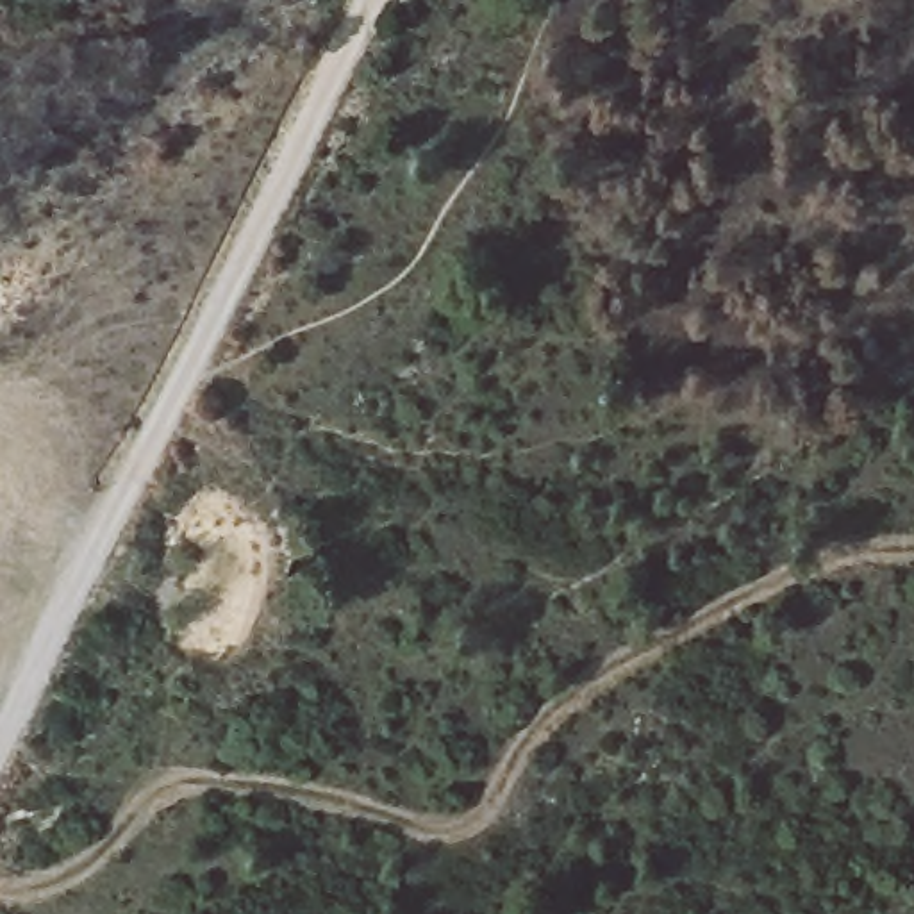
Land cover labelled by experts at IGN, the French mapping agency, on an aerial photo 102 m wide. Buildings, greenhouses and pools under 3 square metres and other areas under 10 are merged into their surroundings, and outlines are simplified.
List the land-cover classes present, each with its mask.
<instances>
[{"label":"brushwood","instance_id":"1","mask_svg":"<svg viewBox=\"0 0 914 914\"><path fill-rule=\"evenodd\" d=\"M532 36L475 46L468 7L450 0H428V18L414 29L396 25V18L386 7L353 75L368 89V111L357 118H332L343 132V146L336 171L325 175L314 196V207H328L336 214V225L321 229V246H336L350 229H364L371 236V246L353 253V271L343 289L346 300H357L368 289L382 286L393 271H400L411 261L418 239L425 236L436 207L443 204L457 175H450L446 182H421L414 150L389 154L393 121L428 107L450 111L461 121L503 118L500 93H511L528 57ZM568 271L553 286H546L539 300L525 311L493 307L489 289H475L461 261L446 268L450 303L428 314L425 339H418L414 350H403L407 364L400 368V375L393 371L386 382H357L368 403V418L386 411L375 432L389 436L396 453L386 457L364 443H339L328 432L300 439L307 464H314L318 475L332 486V496L357 500L361 507H368V546L386 568H393L389 586L378 596L336 603L328 593H318L307 575H275L264 593V603L289 628L286 668L318 689L314 700H303L296 689L253 693L236 707V718L246 721L250 750L268 753L271 771L357 789L375 800L425 814H464L482 800L489 768L496 764L500 750L521 728L532 725L546 700H561L568 689L589 682L603 668V657L618 646H661V661L639 668L636 675L621 678L614 689L596 696L586 710L571 714L532 753L514 796L507 800V810L489 832L475 839L418 843L400 828V821H361L307 810L300 803L278 800L268 785H261L250 796H232L221 789H207L200 796L204 810L218 821V832L196 839V857L250 850L253 871L246 882L232 878L229 871L171 875L175 885L189 893V914H914V800L903 793L896 778H868L850 768V728L839 714H828L825 743L807 750V771H793V778L778 775L782 768L775 760L760 764L753 743L743 735V714H757L764 732H778L785 725V707L778 703L782 693L789 689L793 696H800L796 671L771 657V636L789 628H814L832 611L864 600V578L857 575L839 571L803 589L789 586L782 596L746 607L725 625L710 628L707 636H693V628L686 625L703 603L718 600L735 586L757 582L775 564L814 568L821 561V550L843 553L864 546L875 536L914 532V389H907L896 403H864L857 411L846 407L843 396H828V421L818 432L800 418H785L775 407V396L764 393V386L750 375L700 393V378L686 375L678 393L636 400L632 407H614L607 400V389L611 361L618 357V339L600 318V293L607 286V271L621 257L603 253L600 239L589 246L578 243L571 232L564 236ZM275 496L286 528L303 532V518L314 511L318 496L289 471L275 486ZM189 571H196L182 546L164 543H150V550L139 557V571L114 603L86 607L64 643L50 686L43 689V703L32 714L25 739L39 753V760H50L54 753L82 757L86 725L79 714L89 700H118V689L100 686L93 671H86V664L107 653L111 661H118L121 671H129V646H139V653L150 657L154 643H161L164 636H175L182 643L186 628L196 618L211 614L221 600L207 589H196L189 600H179L171 607L157 603V589L164 578H186ZM86 782L61 775L43 778L39 789L25 793L21 807L25 821L21 839L14 846V864L25 871L50 868L96 839H107L111 818L107 810L86 803Z\"/></svg>","mask_w":914,"mask_h":914},{"label":"herbaceous vegetation","instance_id":"2","mask_svg":"<svg viewBox=\"0 0 914 914\"><path fill-rule=\"evenodd\" d=\"M0 4L7 7V29L25 32V39L32 43L39 29H50L64 18V4L71 0H0ZM396 18V25L414 29L428 18V0H389L386 7ZM503 118L461 121L450 111L428 107L393 121L389 154L414 150L421 182H446L450 175H457L471 168L475 182L450 211L421 268L396 293L382 296L378 303L364 307L361 314L339 325L303 332L293 339L286 332L296 321L328 314L346 300L343 289L353 271V253L371 246V236L364 229H350L336 246H321V229L336 225V214L328 207H314V196L325 175L336 171L343 146V132L332 118L325 121L318 146L289 196V207L275 225V239L268 243L261 264L253 268L236 303L229 332L211 353V382L200 386L196 400L182 411L179 432L164 446V457L154 478L146 482L132 521L111 546L104 575L93 586L86 607L114 603L139 571V557L150 550V543H164L168 525L179 518V511L196 493L218 489L243 500V507H250L257 521L268 528L275 575H307L318 593H328L336 603L378 596L389 586L393 568H386L368 546V507H361L357 500L332 496V486L318 475L314 464H307L300 439L328 432L339 443H364L386 457L396 453L389 436L375 432L386 411L368 418V403L357 382H386L393 371L400 375V368L407 364L403 350H414L418 339H425L428 314L450 303L446 268L461 261L475 289H489L493 307L525 311L539 300L546 286H553L568 271L564 236L571 232V221L539 218L536 207L543 196L557 200L564 189L557 150L575 139V132L618 129L621 114L611 104H600L596 96L564 100L557 82L550 79V21L539 18L532 36L528 57L511 93H500ZM289 471L318 496L314 511L303 518V532L286 528L275 496V486ZM368 111V89L353 75L339 89L332 118H357ZM864 578V600L832 611L814 628H789L771 636V657L796 671L800 696H793L789 689L782 693L778 703L785 707V725L778 732H764L757 714H743V735L753 743L760 764L775 760L782 768L778 775L793 778V771H807V750L825 743L828 714H839L850 728V768L868 778H896L903 793L914 800V564H864L857 575ZM289 628L264 603L243 646H229L225 653L211 657L200 650H182V643L175 636H164L161 643H154L150 657L139 653V646H129V671H121L118 661H111L107 653L86 664V671H93L100 686L118 689V700H89L79 714L86 725L82 757L54 753L50 760H39V753L25 739L18 743L7 771L0 775V875L25 871L14 864V846L21 839L25 821L21 807L25 793L39 789L43 778L61 775L86 782V803L107 810L111 818L129 793H136L150 775L164 768L271 771L268 753L250 750L246 721L236 718V707L253 693L296 689L303 700H314L318 689L286 668ZM218 832V821L204 810L200 796L157 810L154 821L96 878L61 893L39 914H189V893L175 885L171 875L229 871L232 878L246 882L253 871L250 850L196 857V839Z\"/></svg>","mask_w":914,"mask_h":914},{"label":"coniferous trees","instance_id":"3","mask_svg":"<svg viewBox=\"0 0 914 914\"><path fill-rule=\"evenodd\" d=\"M468 7L475 46L532 36L539 18L550 21V79L557 82L564 100L596 96L600 104H611L621 114L618 129L575 132V139L557 150L564 189L557 200L543 196L536 207L539 218L571 221V232L578 243L589 246L600 239L603 253L621 257L607 271V286L600 293V318L618 339V357L611 361L607 389V400L614 407H632L636 400L678 393L686 375L700 378V393L750 375L764 386V393L775 396V407L785 418H800L818 432L828 421V396H843L846 407L857 411L864 403H896L907 389H914V0H450Z\"/></svg>","mask_w":914,"mask_h":914},{"label":"bare soil","instance_id":"4","mask_svg":"<svg viewBox=\"0 0 914 914\"><path fill-rule=\"evenodd\" d=\"M350 0H71L64 4V18L50 29H39L32 43L25 39V32L7 29V7L0 4V707L21 664V653L39 625V614L54 593L64 553L86 532L89 511L111 486V464L121 461L125 443L143 428V411L150 407L154 393L168 375L175 346L189 336L196 311L204 307L214 271L221 268L243 214L250 211L261 189V175H268L271 150L282 136V125L289 121V111L300 104V93L311 82L321 54L343 46L361 25L357 14L346 11ZM164 543L182 546L196 571H189L186 578H164L157 589V603L171 607L179 600H189L196 589H207L221 600L211 614L196 618L186 628L182 643V650H200L211 657L225 653L229 646H243L264 603V593L275 575L268 528L257 521L250 507H243V500L218 489L196 493L179 511V518L168 525Z\"/></svg>","mask_w":914,"mask_h":914},{"label":"pervious surface","instance_id":"5","mask_svg":"<svg viewBox=\"0 0 914 914\"><path fill-rule=\"evenodd\" d=\"M389 0H350L346 11L357 14L361 25L343 46L321 54L311 82L300 93V104L289 111V121L282 125V136L271 150L268 175H261V189L250 211L243 214L221 268L214 271L204 307L196 311L189 336L175 346L168 375L154 393L150 407L143 411V428L125 443L121 461L111 464V486L89 511L86 532L64 553L54 593L39 614V625L21 653V664L0 707V775L7 771L18 743L25 739L32 714L43 703V689L50 686L64 643L86 607L93 586L104 575L111 546L132 521L146 482L154 478L164 457V446L179 432L182 411L196 400L200 386L211 382V353L229 332L236 303L253 268L261 264L268 243L275 239V225L289 207V196L318 146L325 121L332 118L339 89L353 75L386 7ZM475 182L471 168L457 175L443 204L436 207L425 236L418 239L411 261L400 271H393L382 286L368 289L357 300H346L328 314L296 321L286 332L293 339L303 332L339 325L361 314L364 307L378 303L382 296L396 293L421 268L450 211ZM864 564H914V532L875 536L864 546L843 553L821 550V561L814 568L775 564L757 582L735 586L718 600L703 603L686 625L693 628V636H707L710 628L725 625L746 607L782 596L789 586L803 589L839 571L857 575ZM661 646H618L603 657V668L589 682L568 689L561 700H546L532 725L521 728L500 750L496 764L489 768L482 800L464 814H425L375 800L357 789L271 771L164 768L150 775L136 793H129L111 818L107 839H96L50 868L25 871L0 875V914H39L61 893L96 878L154 821L157 810L200 796L207 789H221L232 796H250L261 785H268L278 800L300 803L307 810L361 821H400V828L418 843L475 839L489 832L507 810V800L514 796L532 753L571 714L586 710L596 696L614 689L621 678L636 675L639 668L661 661Z\"/></svg>","mask_w":914,"mask_h":914}]
</instances>
